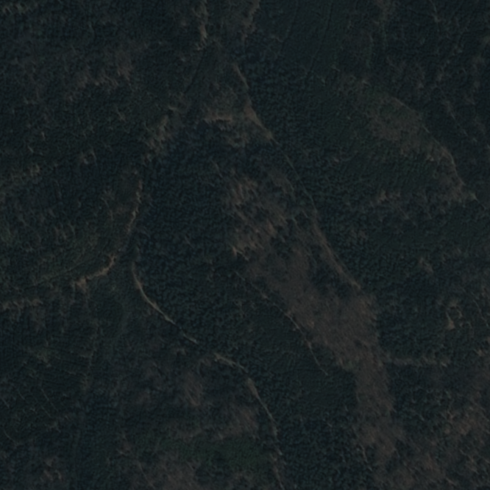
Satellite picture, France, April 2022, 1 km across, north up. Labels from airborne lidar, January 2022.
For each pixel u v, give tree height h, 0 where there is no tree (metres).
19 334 18
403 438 26
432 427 11
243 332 8
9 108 17
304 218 25
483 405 15
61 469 31
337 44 11
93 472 10
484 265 14
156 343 16
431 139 13
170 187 24
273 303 11
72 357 16
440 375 15
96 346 10
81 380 12
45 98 17
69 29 20
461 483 12
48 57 20
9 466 6
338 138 9
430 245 9
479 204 9
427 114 12
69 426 19
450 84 14
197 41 13
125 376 11
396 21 11
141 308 12
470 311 11
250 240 27
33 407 15
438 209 17
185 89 22
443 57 10
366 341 26
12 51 26
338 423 10
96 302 12
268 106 28
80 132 16
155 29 25
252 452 15
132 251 12
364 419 13
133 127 22
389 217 14
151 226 28
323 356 12
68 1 33
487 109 13
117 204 15
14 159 18
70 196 12
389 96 9
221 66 8
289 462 27
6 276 9
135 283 11
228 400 23
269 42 11
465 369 13
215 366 16
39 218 12
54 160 18
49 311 15
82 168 12
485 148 14
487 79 13
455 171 7
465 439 11
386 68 15
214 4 15
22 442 13
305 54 11
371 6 13
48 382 12
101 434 13
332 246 17
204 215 26
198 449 11
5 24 27
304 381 9
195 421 17
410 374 15
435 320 9
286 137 21
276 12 10
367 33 11
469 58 19
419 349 15
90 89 19
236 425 27
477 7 13
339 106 9
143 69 18
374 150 9
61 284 16
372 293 18
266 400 30
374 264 21
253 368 22
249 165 25
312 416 9
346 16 10
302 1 11
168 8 21
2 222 17
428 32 10
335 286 22
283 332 11
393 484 22
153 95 18
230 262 9
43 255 16
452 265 17
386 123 11
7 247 15
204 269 12
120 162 16
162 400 23
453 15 13
